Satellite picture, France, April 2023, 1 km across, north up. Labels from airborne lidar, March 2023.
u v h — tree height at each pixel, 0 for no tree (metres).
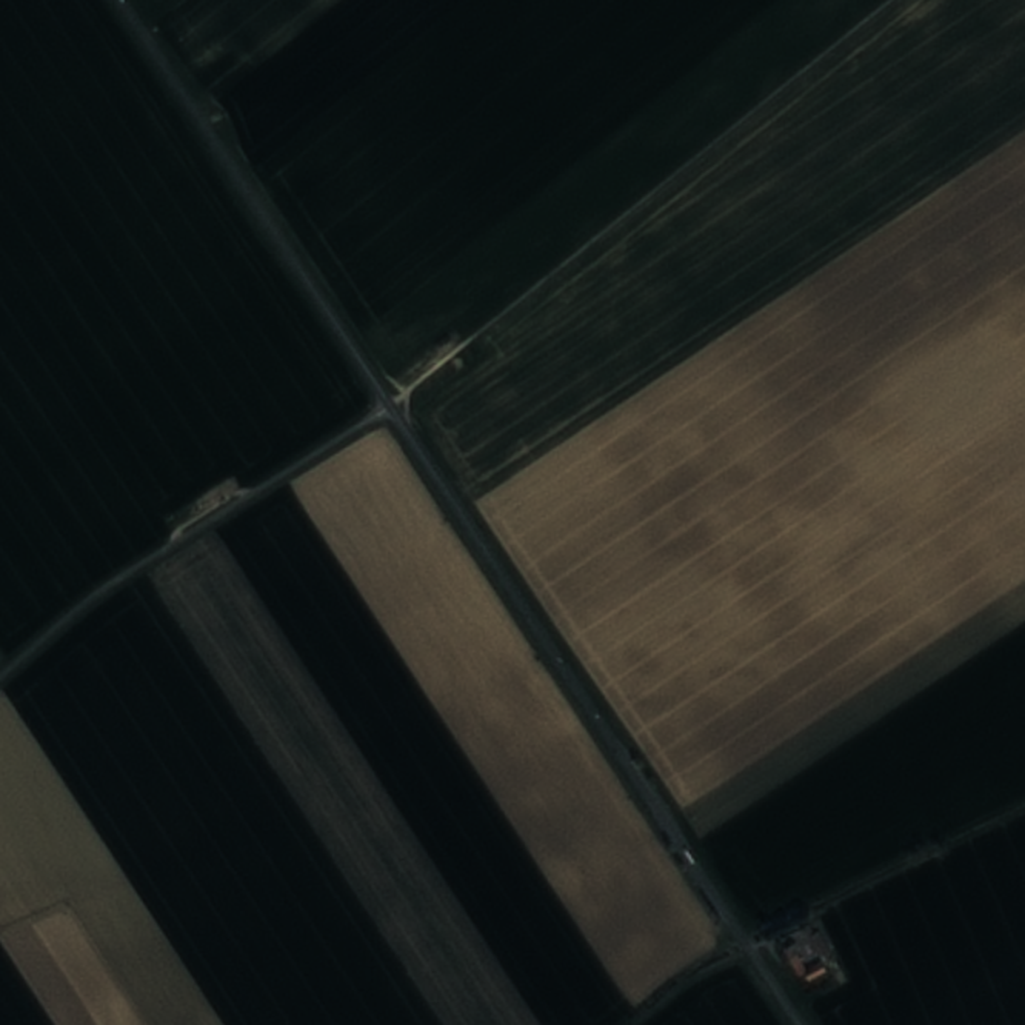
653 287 0
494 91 0
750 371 0
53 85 0
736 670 0
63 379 0
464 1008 0
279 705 0
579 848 0
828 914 0
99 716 0
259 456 0
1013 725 0
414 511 0
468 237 0
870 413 0
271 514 0
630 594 0
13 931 0
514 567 0
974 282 0
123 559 0
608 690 0
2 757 0
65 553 0
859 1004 0
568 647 0
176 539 0
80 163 0
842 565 0
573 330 0
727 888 0
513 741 0
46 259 0
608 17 0
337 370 0
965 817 0
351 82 0
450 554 0
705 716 0
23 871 0
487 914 0
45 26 0
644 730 0
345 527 0
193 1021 0
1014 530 0
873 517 0
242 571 0
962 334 0
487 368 0
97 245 0
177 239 0
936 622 0
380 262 0
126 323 0
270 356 0
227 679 0
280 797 0
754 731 0
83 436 0
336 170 0
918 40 0
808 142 0
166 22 0
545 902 0
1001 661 0
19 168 0
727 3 0
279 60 0
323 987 0
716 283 0
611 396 0
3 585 0
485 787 0
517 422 0
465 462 0
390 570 0
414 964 0
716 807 0
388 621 0
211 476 0
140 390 0
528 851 0
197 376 0
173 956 0
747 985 0
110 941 0
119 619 0
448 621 0
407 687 0
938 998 0
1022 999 0
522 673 0
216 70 0
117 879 0
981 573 0
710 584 0
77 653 0
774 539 0
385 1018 0
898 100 0
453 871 0
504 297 0
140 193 0
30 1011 0
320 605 0
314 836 0
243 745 0
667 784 0
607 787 0
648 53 0
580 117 0
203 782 0
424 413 0
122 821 0
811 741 0
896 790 0
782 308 0
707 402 0
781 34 0
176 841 0
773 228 0
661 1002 10
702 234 0
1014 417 0
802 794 0
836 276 0
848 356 0
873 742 0
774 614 0
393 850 0
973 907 0
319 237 0
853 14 0
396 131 0
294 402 0
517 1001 0
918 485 0
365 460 0
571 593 0
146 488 0
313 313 0
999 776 0
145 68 0
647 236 0
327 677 0
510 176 0
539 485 0
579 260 0
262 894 0
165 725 0
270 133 0
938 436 0
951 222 0
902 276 0
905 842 0
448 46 0
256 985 0
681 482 0
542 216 0
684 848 0
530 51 0
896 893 0
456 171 0
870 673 0
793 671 0
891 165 0
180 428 0
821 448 0
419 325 0
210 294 0
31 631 0
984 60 0
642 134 0
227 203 0
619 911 0
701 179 0
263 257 0
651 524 0
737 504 0
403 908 0
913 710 0
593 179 0
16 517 0
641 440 0
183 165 0
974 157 0
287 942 0
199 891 0
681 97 0
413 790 0
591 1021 0
